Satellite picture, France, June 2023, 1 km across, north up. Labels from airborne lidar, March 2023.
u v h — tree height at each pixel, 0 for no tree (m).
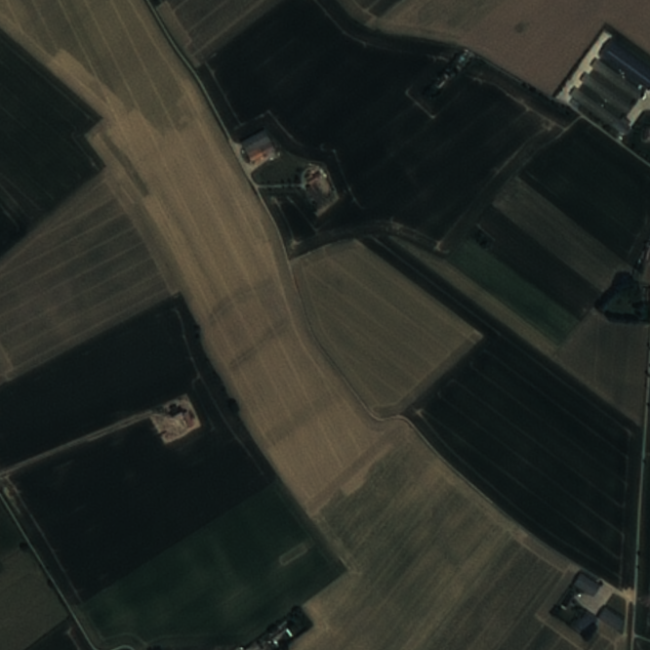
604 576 0
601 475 0
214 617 0
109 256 0
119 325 0
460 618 0
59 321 0
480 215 0
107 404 0
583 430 0
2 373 0
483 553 0
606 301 15
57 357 0
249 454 0
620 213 0
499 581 0
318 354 0
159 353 0
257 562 0
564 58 0
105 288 0
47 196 0
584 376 0
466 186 0
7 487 0
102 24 0
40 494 0
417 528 0
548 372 0
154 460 0
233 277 0
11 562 0
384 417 0
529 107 0
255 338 0
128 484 0
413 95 0
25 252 0
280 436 0
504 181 0
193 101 0
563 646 0
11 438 0
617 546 0
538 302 0
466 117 0
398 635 0
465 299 0
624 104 0
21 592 0
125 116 0
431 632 0
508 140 0
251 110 0
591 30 0
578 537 0
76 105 0
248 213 0
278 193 0
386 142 0
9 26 0
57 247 0
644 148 0
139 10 0
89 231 0
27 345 0
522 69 0
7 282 0
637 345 0
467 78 0
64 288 0
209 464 0
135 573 0
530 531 0
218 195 0
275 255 0
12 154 0
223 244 0
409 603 0
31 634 0
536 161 0
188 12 0
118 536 0
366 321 0
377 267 0
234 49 0
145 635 0
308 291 0
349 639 0
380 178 0
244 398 0
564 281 0
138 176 0
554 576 0
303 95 0
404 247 0
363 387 0
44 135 0
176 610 0
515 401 0
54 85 0
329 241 0
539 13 0
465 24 0
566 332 0
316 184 0
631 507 0
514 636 0
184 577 0
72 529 0
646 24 0
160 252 0
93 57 0
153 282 0
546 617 0
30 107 0
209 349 0
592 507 0
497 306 0
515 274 0
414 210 0
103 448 0
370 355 0
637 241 0
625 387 0
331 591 0
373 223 0
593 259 0
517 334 0
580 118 0
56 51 0
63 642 0
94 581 0
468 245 0
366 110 0
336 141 0
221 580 0
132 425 0
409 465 0
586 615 0
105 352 0
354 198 0
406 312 0
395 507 0
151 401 0
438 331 0
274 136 0
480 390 0
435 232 0
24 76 0
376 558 0
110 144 0
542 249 0
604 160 0
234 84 0
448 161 0
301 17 0
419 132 0
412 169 0
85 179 0
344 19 0
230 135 0
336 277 0
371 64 0
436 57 0
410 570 0
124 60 0
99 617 0
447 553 0
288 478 0
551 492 0
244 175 0
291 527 0
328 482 0
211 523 0
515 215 0
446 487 0
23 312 0
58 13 0
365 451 0
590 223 0
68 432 0
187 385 0
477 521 0
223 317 0
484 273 0
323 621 0
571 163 0
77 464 0
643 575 0
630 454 0
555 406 0
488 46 0
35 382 0
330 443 0
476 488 0
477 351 0
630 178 0
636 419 0
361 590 0
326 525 0
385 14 0
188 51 0
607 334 0
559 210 0
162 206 0
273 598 0
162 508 0
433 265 0
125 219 0
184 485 0
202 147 0
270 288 0
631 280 23
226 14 0
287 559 0
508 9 0
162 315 0
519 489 0
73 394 0
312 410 0
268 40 0
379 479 0
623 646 0
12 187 0
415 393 0
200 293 0
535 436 0
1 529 0
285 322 0
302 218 0
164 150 0
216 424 0
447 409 0
